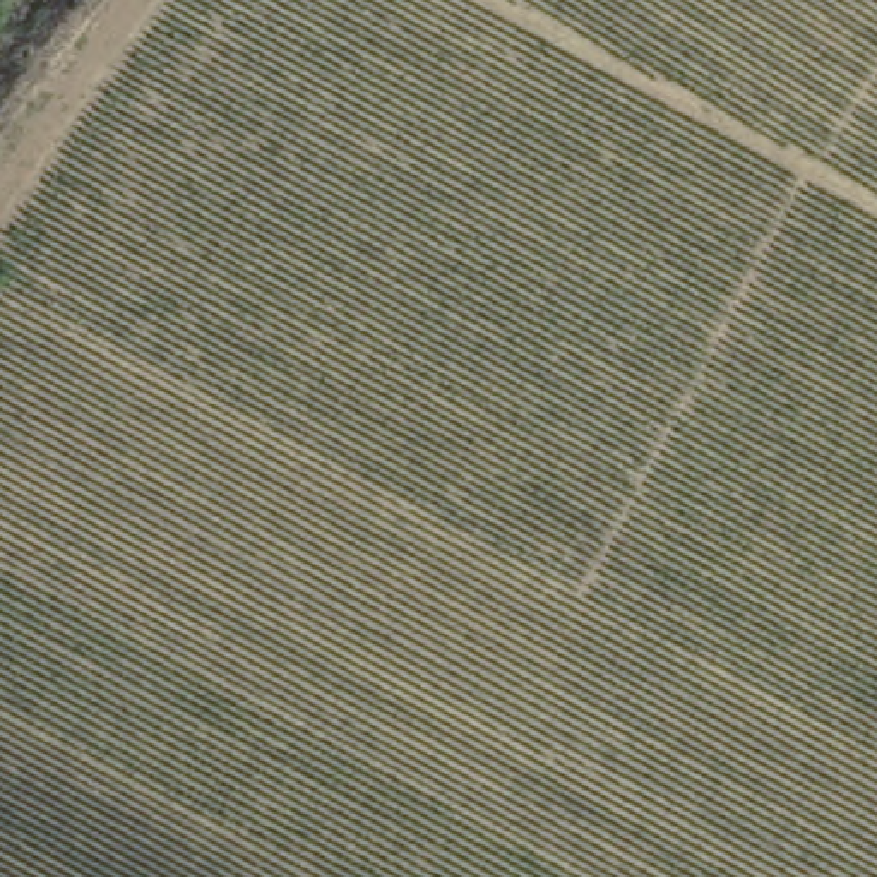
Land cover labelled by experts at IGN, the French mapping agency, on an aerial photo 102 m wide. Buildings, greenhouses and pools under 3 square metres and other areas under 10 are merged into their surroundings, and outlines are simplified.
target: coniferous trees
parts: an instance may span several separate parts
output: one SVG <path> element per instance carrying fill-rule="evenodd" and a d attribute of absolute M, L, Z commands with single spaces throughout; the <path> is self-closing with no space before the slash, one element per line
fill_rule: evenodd
<path fill-rule="evenodd" d="M 31 48 L 45 48 L 55 27 L 69 21 L 69 14 L 82 0 L 0 0 L 0 106 L 14 92 L 17 79 L 27 72 Z"/>

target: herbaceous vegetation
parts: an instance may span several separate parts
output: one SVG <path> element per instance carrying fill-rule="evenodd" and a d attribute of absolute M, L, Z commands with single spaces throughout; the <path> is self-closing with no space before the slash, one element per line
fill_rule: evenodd
<path fill-rule="evenodd" d="M 0 106 L 0 240 L 3 230 L 17 219 L 21 206 L 27 206 L 27 199 L 38 192 L 41 175 L 55 168 L 65 137 L 96 103 L 103 82 L 110 82 L 123 69 L 130 48 L 164 14 L 168 0 L 82 0 L 69 14 L 69 21 L 55 27 L 45 48 L 31 48 L 27 72 L 17 79 L 14 92 Z"/>

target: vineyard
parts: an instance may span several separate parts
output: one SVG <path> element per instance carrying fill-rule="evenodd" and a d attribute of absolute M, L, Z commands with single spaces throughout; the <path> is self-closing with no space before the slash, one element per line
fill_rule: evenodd
<path fill-rule="evenodd" d="M 164 14 L 130 48 L 123 69 L 110 82 L 103 82 L 96 103 L 65 137 L 55 168 L 41 175 L 38 192 L 27 199 L 27 206 L 21 206 L 17 219 L 3 230 L 0 240 L 0 877 L 877 877 L 877 0 L 168 0 Z"/>

